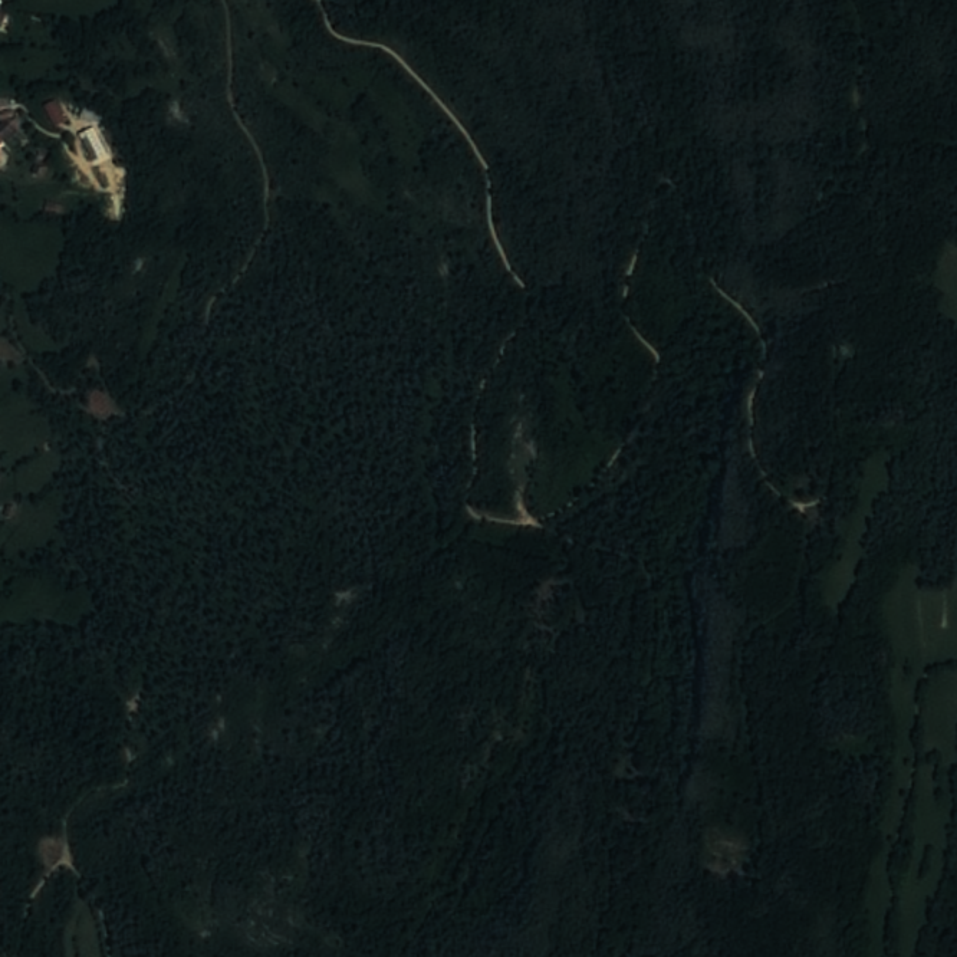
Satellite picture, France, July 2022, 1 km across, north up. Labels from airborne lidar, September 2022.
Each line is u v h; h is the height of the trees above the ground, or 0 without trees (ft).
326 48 28
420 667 28
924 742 49
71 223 55
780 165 17
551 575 63
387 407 46
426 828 41
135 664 56
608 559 70
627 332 55
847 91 34
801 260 48
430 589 24
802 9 22
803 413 34
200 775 50
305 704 26
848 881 61
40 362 41
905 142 38
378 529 57
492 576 37
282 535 48
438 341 20
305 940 28
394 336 50
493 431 46
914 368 69
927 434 64
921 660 0
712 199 36
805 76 22
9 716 32
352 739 34
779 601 17
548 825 18
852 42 50
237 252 24
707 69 20
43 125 0
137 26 31
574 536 46
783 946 42
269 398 52
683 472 50
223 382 67
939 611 0
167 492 52
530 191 48
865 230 50
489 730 53
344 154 0
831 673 58
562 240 25
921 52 35
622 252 53
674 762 42
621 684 45
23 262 0
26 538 0
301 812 58
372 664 47
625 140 37
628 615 28
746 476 43
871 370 49
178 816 61
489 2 40
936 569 76
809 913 48
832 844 22
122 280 28
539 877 35
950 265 0
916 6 44
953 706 0
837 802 55
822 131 32
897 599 0
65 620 0
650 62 35
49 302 22
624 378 19
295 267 20
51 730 42
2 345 0
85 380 29
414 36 40
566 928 30
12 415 0
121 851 22
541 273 19
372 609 36
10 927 33
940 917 75
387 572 45
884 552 43
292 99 0
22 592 0
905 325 40
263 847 51
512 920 22
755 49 31
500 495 30
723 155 45
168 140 37
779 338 34
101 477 54
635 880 55
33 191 0
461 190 37
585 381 92
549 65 21
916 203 50
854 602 56
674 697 27
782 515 54
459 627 26
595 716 42
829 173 38
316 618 32
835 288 38
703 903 44
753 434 21
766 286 24
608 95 24
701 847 23
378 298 23
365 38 40
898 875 39
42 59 0
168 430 53
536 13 25
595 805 52
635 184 27
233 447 63
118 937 64
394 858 57
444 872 24
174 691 52
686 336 44
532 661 57
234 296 54
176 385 36
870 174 38
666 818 38
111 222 21
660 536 64
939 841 0
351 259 31
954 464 73
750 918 40
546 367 59
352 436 68
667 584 40
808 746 49
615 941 35
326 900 30
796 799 42
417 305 22
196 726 38
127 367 36
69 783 46
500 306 41
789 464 59
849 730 101
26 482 0
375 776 21
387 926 34
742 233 27
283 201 29
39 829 21
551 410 51
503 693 57
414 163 0
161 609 53
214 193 20
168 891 19
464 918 51
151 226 25
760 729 49
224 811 25
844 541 61
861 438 19
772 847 45
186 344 56
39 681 54
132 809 59
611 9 31
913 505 43
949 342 54
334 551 24
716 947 43
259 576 55
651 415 51
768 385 19
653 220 58
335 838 34
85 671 36
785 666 53
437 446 78
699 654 30
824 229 51
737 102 32
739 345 52
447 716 43
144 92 19
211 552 57
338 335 28
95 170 0
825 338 46
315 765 34
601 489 36
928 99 49
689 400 79
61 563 58
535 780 25
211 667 31
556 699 36
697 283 46
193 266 25
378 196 0
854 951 53
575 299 59
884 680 45
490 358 49
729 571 26
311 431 57
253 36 37
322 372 25
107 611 59
